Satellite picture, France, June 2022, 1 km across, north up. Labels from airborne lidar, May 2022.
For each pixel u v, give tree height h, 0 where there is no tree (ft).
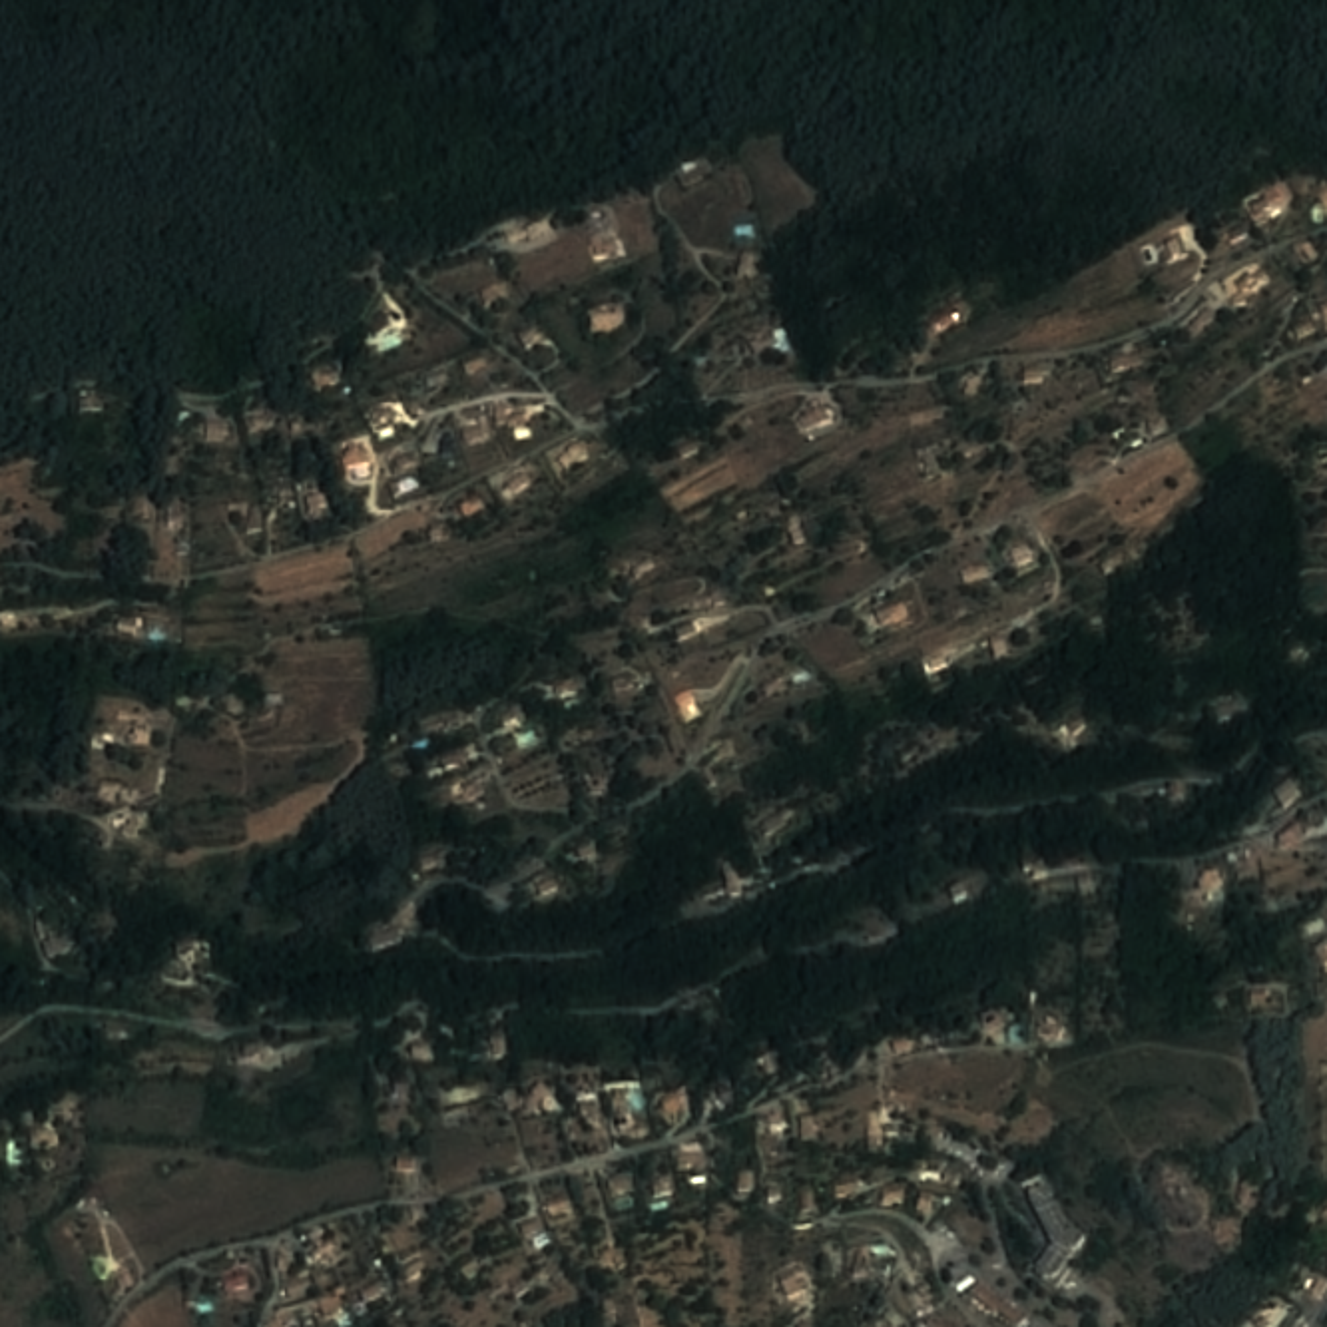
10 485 0
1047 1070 0
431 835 24
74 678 25
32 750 45
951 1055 28
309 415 63
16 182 78
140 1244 0
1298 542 52
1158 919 25
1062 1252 0
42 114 84
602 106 75
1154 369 21
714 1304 33
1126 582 48
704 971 45
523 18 68
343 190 30
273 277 67
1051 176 65
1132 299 0
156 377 85
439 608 28
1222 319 42
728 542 26
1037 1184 0
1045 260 37
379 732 21
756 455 0
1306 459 28
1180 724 38
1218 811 30
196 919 44
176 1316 0
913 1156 25
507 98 53
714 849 31
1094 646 65
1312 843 0
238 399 22
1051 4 31
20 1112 20
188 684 24
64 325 80
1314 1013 46
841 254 44
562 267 0
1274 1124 41
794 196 0
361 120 27
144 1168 0
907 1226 0
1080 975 26
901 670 21
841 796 25
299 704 0
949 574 0
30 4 64
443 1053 25
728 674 0
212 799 22
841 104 80
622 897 54
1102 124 60
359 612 21
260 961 40
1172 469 0
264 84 74
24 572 53
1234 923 43
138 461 43
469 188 27
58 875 27
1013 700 46
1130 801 23
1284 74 66
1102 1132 0
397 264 57
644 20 78
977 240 57
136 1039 21
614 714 39
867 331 37
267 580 0
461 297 38
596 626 28
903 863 67
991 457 32
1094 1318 28
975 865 26
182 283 81
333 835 64
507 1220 19
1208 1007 24
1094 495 0
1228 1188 34
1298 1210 25
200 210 62
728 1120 21
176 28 63
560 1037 21
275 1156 18
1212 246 35
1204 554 74
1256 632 47
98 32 36
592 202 52
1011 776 73
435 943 48
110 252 73
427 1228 39
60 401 70
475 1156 0
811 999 40
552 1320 32
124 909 31
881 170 67
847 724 36
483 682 45
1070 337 0
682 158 59
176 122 84
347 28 37
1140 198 54
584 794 24
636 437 40
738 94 75
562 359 21
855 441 0
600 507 24
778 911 36
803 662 18
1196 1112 0
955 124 40
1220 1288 48
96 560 21
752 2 76
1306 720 31
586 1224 20
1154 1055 0
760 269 23
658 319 0
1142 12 82
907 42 50
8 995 75
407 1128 30
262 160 53
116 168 63
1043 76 46
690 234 0
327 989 52
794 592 20
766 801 28
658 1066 20
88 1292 0
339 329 70
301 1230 25
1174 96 60
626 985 51
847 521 31
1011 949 23
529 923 44
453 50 40
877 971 22
